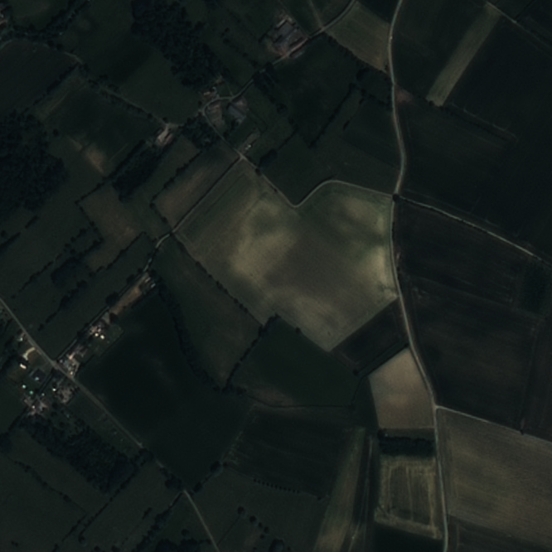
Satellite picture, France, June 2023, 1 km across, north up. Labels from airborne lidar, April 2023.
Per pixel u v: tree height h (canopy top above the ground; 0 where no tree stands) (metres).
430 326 0
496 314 0
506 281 0
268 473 0
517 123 0
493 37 0
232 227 0
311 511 0
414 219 0
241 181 0
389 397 0
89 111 0
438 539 0
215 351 0
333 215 0
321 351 0
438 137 0
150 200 0
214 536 0
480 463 0
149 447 0
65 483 0
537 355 0
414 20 0
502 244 0
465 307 0
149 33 19
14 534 0
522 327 0
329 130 0
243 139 0
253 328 0
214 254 0
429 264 0
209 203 0
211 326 0
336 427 0
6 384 0
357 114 0
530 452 0
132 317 0
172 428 0
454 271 0
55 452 20
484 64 0
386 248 0
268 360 0
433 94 0
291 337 0
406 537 0
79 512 0
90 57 0
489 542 0
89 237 0
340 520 0
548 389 0
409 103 0
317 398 0
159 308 0
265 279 0
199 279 0
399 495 0
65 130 0
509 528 0
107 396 0
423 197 0
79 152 0
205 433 0
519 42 0
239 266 0
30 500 0
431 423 0
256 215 0
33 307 0
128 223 0
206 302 0
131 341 0
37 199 26
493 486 0
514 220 0
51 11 0
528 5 0
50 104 0
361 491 0
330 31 0
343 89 0
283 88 0
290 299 0
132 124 0
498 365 0
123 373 0
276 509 0
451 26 0
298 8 0
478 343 0
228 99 0
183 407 0
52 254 0
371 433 0
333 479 0
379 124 0
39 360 0
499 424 0
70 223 0
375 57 0
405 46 0
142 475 0
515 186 0
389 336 0
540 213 0
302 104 0
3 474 0
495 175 0
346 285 0
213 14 0
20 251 0
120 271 0
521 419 0
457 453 0
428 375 0
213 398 0
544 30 0
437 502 0
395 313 0
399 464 0
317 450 0
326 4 0
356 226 0
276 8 0
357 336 0
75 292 11
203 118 6
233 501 0
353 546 0
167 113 0
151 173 11
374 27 0
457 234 0
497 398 0
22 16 0
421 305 0
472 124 5
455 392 0
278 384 0
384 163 0
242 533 0
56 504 0
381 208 0
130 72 0
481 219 0
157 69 0
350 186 0
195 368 27
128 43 0
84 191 0
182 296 0
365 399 0
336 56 0
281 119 0
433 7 0
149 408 0
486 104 0
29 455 0
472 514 0
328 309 0
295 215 0
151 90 0
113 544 0
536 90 0
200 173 0
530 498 0
